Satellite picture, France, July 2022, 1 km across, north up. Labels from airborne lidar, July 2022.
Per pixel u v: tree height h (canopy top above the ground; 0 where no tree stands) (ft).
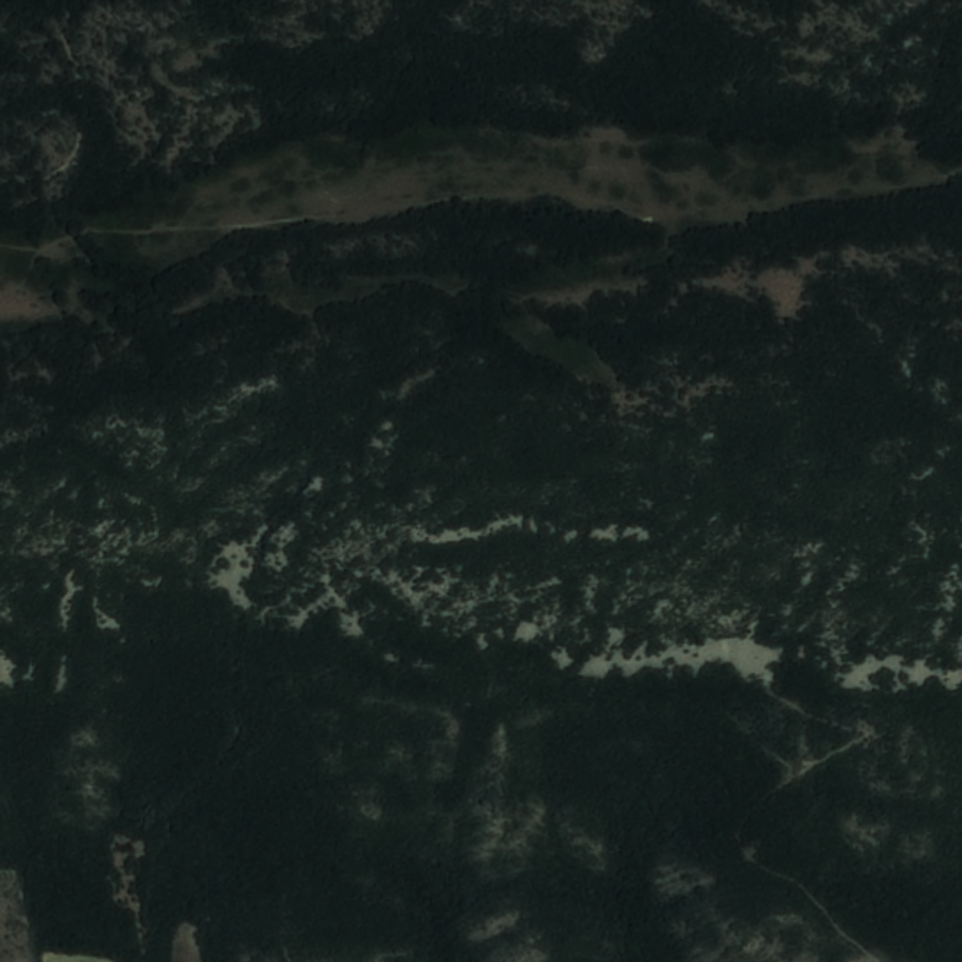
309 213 0
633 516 31
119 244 0
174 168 28
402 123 52
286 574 30
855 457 30
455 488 31
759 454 30
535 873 18
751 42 36
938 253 18
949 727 21
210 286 24
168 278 36
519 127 35
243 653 33
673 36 50
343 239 24
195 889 21
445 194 0
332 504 25
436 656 32
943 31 28
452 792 20
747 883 20
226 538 26
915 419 38
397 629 34
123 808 20
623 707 23
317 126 46
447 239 25
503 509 20
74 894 29
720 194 0
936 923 25
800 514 21
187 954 0
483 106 39
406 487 30
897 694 24
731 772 28
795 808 25
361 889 20
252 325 21
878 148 0
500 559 18
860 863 28
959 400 21
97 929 19
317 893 22
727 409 24
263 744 21
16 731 29
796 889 30
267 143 41
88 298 36
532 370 33
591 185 0
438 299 37
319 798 26
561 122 41
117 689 24
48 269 33
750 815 21
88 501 31
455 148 0
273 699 27
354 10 19
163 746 32
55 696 26
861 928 20
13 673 31
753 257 19
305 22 24
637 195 0
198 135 23
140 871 35
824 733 21
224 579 0
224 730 25
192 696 38
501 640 22
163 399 28
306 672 21
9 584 21
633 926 38
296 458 26
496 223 40
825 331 22
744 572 20
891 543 24
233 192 0
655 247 25
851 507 20
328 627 32
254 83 35
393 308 18
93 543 22
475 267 40
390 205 0
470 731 27
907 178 0
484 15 26
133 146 23
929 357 20
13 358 19
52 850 20
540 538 28
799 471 24
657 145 0
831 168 0
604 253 21
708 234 47
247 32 22
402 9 26
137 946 21
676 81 50
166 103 19
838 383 27
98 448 25
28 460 29
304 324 25
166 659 37
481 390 21
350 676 21
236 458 19
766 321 23
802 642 31
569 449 24
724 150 20
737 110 36
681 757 27
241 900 22
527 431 32
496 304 20
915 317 26
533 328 0
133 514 23
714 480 19
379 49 44
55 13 31
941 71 47
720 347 21
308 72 61
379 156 0
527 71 44
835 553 20
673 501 23
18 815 24
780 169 0
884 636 28
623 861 27
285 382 18
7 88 19
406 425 22
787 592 22
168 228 0
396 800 19
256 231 27
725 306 28
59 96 29
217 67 21
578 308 19
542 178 0
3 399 19
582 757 20
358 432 29
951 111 36
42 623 22
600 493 22
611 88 55
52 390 23
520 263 34
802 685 28
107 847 32
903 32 19
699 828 23
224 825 20
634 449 19
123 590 31
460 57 41
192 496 32
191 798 25
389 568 21
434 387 18
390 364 27
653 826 20
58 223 30
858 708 18
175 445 37
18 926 0
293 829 27
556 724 25
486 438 21
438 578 19
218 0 44
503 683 23
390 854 20
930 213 22
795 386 20
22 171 32
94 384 30
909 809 17
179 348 23
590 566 20
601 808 23
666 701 26
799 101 39
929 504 19
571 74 53
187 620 31
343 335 21
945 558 29
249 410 43
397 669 23
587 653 19
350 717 20
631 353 28
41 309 0
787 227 33
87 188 46
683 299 22
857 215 33
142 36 19
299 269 27
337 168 0
